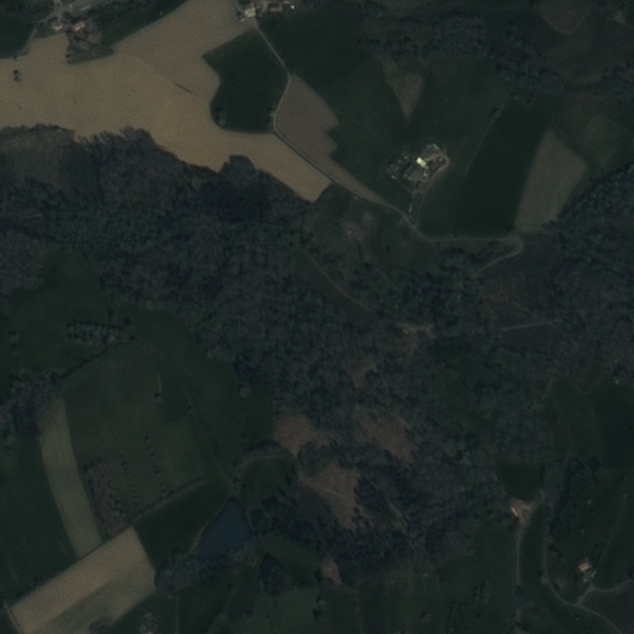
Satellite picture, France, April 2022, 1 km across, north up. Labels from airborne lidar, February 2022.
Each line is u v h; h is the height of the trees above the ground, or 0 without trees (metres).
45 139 0
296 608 0
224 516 0
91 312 0
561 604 0
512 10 0
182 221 15
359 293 29
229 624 0
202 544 0
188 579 22
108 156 29
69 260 0
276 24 8
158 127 0
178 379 0
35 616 0
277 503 0
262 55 0
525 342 0
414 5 0
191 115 0
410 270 0
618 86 22
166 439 0
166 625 0
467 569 0
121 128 0
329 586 17
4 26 0
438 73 0
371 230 0
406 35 0
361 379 11
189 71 0
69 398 0
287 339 29
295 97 0
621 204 26
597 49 0
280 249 25
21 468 0
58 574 0
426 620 12
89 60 0
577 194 0
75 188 0
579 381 22
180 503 0
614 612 0
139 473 0
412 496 25
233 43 0
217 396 0
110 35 0
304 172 0
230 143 0
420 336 11
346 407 27
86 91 0
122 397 0
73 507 0
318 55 0
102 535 0
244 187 24
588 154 0
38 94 0
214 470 0
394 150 0
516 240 0
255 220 12
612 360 19
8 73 0
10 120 0
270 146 0
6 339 0
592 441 0
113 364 0
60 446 0
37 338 0
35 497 0
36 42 0
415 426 33
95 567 0
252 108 0
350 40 0
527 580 0
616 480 0
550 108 0
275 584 38
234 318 23
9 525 0
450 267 27
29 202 9
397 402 24
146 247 25
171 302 20
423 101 0
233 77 0
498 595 0
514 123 0
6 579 0
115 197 27
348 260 0
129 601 0
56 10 0
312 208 15
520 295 0
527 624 0
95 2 0
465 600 0
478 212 0
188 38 0
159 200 21
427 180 0
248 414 0
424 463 30
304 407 24
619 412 0
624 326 35
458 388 0
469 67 0
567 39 0
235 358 26
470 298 20
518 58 0
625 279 23
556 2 0
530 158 0
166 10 0
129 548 0
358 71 0
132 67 0
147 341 0
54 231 17
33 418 21
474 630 0
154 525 0
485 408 33
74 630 0
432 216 0
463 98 0
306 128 0
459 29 19
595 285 23
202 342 16
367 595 0
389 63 0
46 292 0
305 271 0
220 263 26
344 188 0
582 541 0
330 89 0
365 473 36
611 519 0
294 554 0
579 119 0
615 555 0
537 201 0
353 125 0
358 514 0
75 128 0
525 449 28
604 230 0
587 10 0
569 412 0
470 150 0
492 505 16
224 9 0
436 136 0
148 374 0
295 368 29
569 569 0
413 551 39
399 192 0
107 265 28
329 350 19
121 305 12
